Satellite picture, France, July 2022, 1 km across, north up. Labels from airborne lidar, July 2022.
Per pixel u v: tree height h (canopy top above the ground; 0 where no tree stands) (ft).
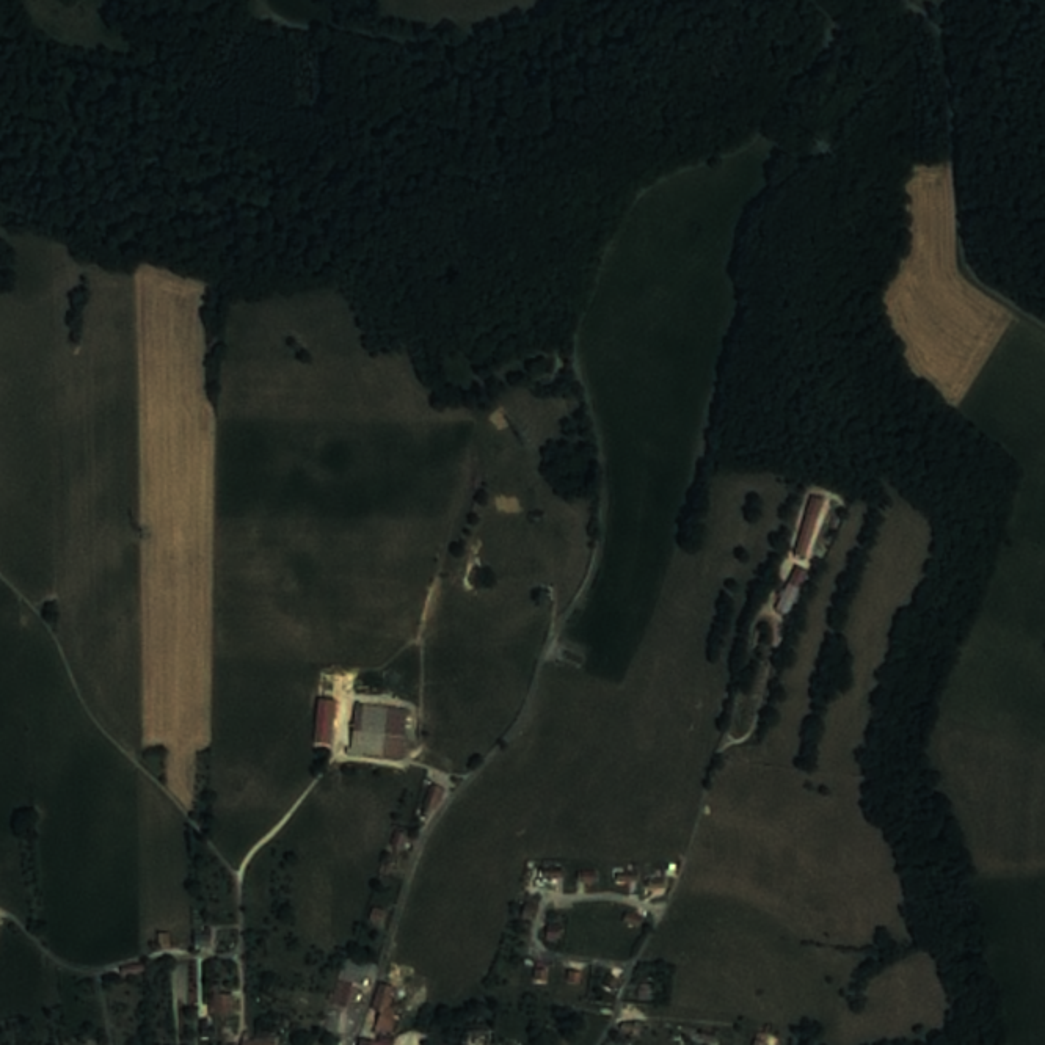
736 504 0
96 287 0
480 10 0
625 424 0
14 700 0
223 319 45
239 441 0
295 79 54
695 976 0
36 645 0
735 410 55
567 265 59
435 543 0
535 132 90
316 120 68
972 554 63
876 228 66
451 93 88
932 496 42
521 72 82
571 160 64
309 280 65
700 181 0
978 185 70
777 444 48
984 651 0
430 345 67
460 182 75
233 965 29
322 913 0
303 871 0
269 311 0
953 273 0
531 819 0
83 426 0
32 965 0
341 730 0
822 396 45
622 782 0
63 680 0
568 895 0
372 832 0
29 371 0
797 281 45
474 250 60
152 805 0
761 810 0
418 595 0
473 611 0
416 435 0
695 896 0
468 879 0
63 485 0
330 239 85
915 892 60
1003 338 0
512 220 66
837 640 52
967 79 77
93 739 0
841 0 73
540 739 0
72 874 0
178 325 0
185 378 0
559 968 0
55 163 87
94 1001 0
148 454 0
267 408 0
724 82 62
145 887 0
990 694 0
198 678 0
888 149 95
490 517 0
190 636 0
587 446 51
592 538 30
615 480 0
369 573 0
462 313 59
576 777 0
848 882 0
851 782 0
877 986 0
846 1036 0
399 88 80
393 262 71
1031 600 0
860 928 0
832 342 81
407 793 19
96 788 0
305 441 0
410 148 75
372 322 39
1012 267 70
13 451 0
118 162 56
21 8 26
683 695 0
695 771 0
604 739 0
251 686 0
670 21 89
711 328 0
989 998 67
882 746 64
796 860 0
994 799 0
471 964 0
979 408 0
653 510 0
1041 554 0
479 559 0
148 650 0
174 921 0
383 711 0
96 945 0
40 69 29
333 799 0
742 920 0
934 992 0
